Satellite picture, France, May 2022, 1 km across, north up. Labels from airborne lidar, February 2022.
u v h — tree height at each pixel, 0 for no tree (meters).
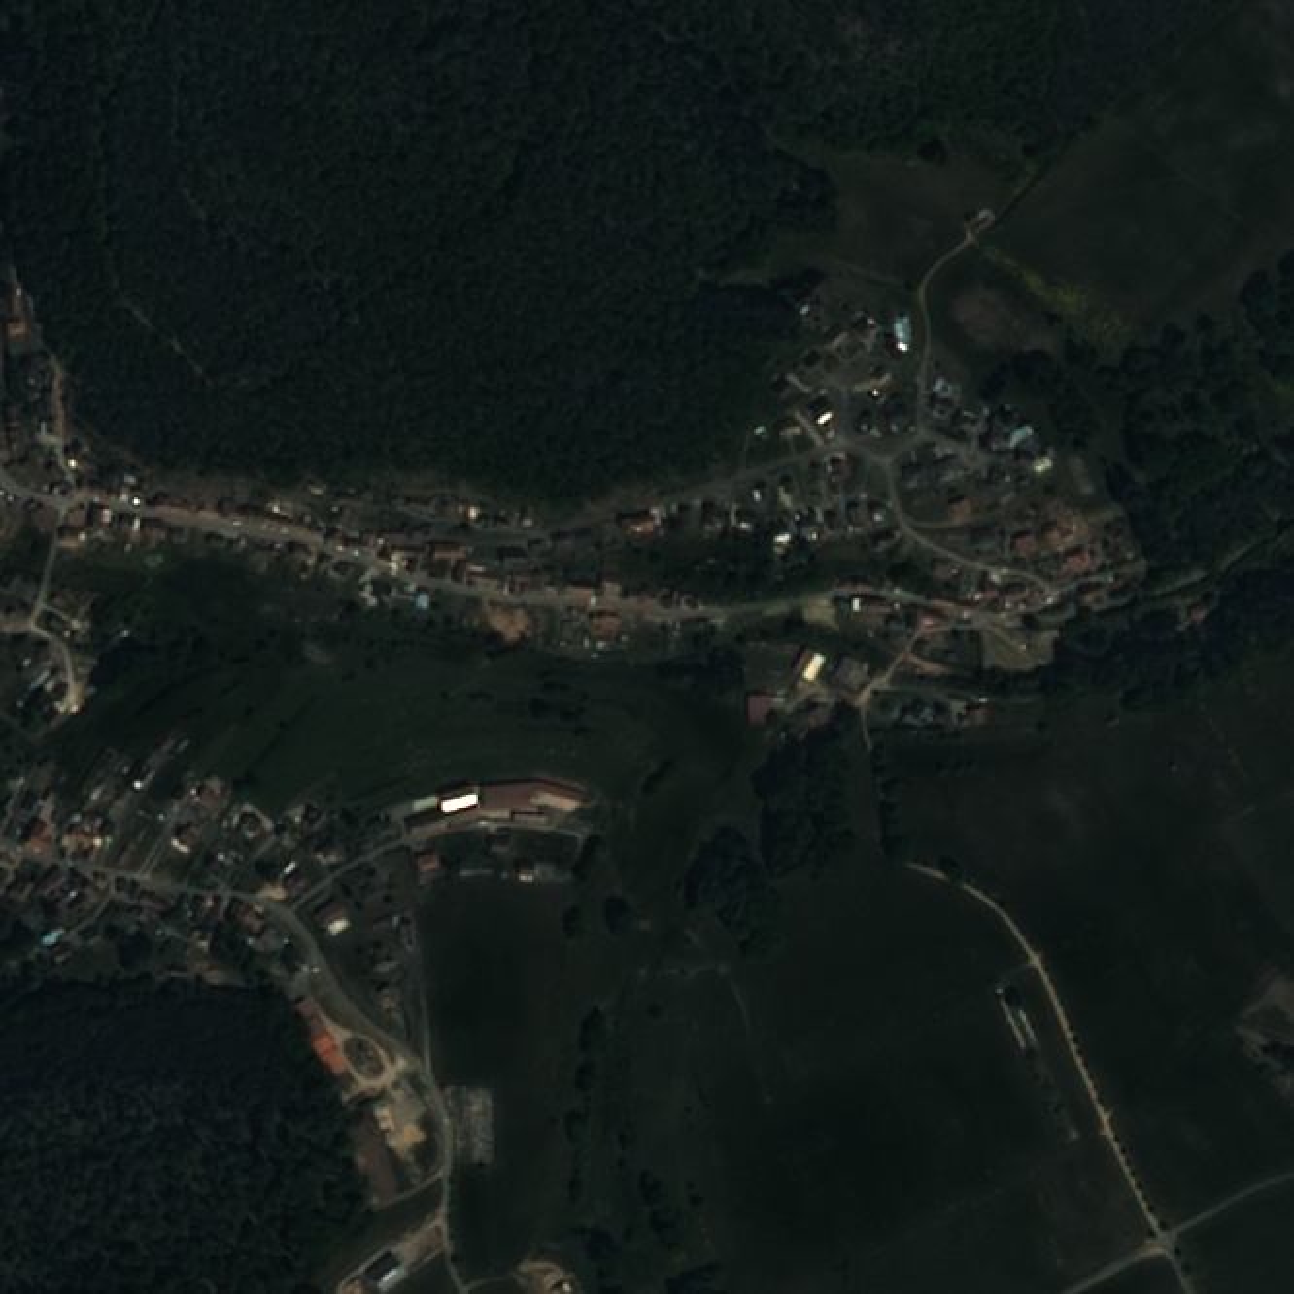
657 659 0
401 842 0
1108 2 20
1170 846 0
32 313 0
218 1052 14
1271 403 0
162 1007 15
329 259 21
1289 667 0
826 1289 0
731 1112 0
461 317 24
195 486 0
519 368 23
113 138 20
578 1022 0
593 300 27
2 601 0
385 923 0
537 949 0
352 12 22
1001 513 0
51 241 25
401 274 26
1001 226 0
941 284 0
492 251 25
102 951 0
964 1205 0
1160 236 0
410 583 0
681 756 0
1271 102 0
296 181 23
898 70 12
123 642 0
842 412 0
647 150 24
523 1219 0
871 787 0
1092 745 0
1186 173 0
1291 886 0
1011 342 0
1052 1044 0
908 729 6
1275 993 0
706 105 31
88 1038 12
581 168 25
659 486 19
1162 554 28
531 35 28
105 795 0
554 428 16
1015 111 20
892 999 0
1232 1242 0
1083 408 23
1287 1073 6
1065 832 0
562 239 26
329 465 22
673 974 0
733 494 0
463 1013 0
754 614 0
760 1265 0
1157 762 0
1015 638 0
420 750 0
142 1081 9
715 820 0
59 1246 31
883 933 0
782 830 24
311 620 0
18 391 6
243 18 25
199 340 25
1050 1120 0
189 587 0
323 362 22
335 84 23
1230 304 0
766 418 0
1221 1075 0
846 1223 0
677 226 14
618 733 0
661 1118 0
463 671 0
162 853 0
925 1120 0
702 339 29
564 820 0
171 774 0
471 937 0
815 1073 0
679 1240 18
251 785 8
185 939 0
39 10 33
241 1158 21
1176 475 24
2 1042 16
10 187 17
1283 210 0
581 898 0
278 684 0
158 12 20
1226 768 0
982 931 0
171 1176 26
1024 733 0
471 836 0
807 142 8
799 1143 0
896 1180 0
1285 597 33
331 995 0
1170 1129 0
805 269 0
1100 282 0
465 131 25
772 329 21
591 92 22
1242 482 21
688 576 8
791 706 0
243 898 0
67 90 27
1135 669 28
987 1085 0
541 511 19
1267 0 0
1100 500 0
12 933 7
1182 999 0
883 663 0
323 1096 9
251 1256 29
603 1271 11
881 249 0
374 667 8
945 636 0
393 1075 0
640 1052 0
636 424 21
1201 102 0
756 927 25
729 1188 0
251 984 7
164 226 21
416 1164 0
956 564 0
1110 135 0
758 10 23
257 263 20
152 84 19
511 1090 0
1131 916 0
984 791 0
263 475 20
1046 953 0
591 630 0
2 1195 28
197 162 23
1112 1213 0
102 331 24
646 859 0
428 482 23
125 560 0
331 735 0
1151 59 22
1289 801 0
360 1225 14
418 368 17
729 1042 0
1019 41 18
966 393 0
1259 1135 0
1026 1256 0
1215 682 13
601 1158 0
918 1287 0
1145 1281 0
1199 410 26
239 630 0
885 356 0
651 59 30
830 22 19
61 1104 25
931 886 0
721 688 21
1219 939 0
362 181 23
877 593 0
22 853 0
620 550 0
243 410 21
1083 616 13
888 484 0
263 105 25
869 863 0
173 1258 26
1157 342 0
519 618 0
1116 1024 0
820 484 0
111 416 27
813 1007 0
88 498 0
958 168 0
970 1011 0
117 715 0
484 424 18
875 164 0
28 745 0
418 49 26
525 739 0
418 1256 0
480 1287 0
